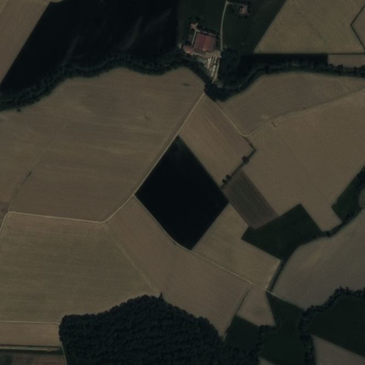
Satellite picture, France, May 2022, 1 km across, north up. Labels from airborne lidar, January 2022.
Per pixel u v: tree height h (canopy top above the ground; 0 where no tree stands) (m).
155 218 0
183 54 19
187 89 0
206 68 0
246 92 0
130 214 0
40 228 0
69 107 0
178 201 0
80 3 0
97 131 0
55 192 0
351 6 0
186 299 0
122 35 0
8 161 0
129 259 0
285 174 0
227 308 0
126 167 0
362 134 0
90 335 13
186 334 28
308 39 0
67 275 0
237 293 0
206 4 0
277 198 0
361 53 0
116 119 0
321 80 0
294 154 0
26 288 0
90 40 0
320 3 0
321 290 0
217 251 0
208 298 0
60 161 0
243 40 0
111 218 0
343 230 0
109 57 14
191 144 0
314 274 0
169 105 0
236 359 19
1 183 0
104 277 0
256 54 0
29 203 0
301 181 0
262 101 0
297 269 0
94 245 0
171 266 0
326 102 0
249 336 0
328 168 0
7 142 0
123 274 0
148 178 0
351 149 0
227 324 0
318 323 0
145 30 0
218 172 0
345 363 0
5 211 0
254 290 0
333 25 0
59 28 0
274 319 0
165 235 0
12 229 0
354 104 0
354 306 0
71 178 0
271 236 0
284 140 0
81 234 0
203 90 0
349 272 0
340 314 0
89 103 0
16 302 0
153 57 0
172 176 0
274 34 0
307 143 0
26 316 0
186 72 0
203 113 0
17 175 0
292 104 0
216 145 0
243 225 0
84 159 0
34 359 0
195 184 0
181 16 0
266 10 0
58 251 0
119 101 0
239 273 0
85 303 0
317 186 0
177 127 0
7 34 0
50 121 0
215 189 0
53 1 0
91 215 0
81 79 0
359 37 0
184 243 0
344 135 0
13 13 0
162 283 0
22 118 0
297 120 0
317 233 0
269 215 0
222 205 0
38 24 0
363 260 0
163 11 0
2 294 0
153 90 0
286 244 0
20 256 0
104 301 0
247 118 0
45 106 0
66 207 0
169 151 0
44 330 0
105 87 0
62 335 16
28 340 0
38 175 0
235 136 0
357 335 0
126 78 0
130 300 0
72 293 0
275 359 0
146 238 0
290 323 0
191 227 0
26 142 0
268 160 0
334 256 0
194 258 0
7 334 0
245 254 0
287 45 0
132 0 0
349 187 0
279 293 0
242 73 0
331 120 0
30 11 0
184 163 0
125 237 0
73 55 0
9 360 0
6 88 0
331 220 0
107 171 0
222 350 17
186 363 24
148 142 0
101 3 0
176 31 9
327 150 0
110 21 0
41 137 0
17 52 0
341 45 0
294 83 0
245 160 14
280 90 0
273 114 0
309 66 12
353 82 0
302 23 0
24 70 0
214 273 0
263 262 0
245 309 0
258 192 0
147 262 0
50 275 0
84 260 0
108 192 0
